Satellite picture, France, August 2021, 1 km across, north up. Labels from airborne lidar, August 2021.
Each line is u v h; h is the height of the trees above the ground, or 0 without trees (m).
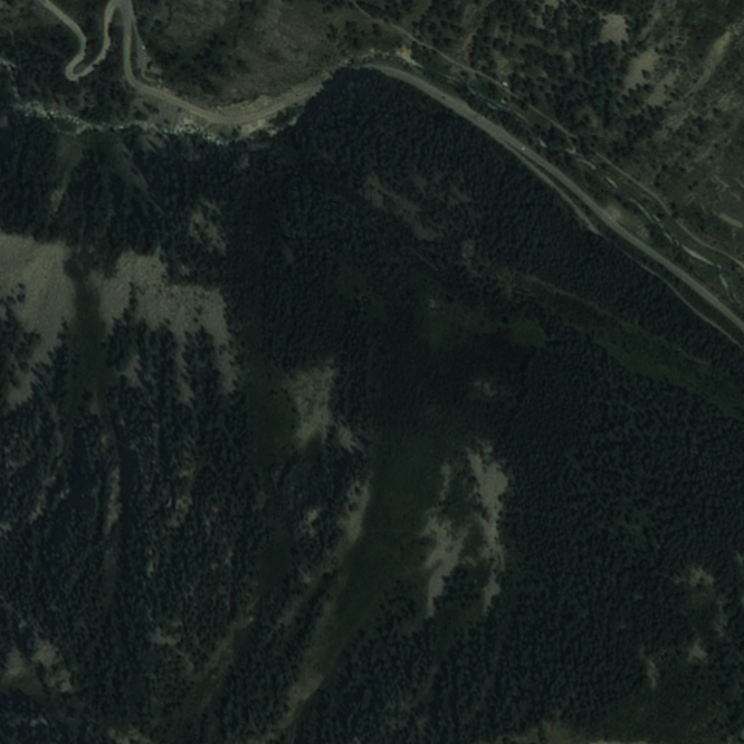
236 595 14
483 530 0
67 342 17
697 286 0
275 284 15
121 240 8
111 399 8
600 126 0
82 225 8
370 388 8
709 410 25
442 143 24
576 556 21
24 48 11
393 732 14
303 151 23
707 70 0
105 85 11
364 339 10
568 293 20
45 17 0
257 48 0
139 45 0
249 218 11
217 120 0
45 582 10
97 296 0
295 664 15
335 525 13
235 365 7
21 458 20
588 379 23
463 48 0
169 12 0
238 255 13
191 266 16
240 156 8
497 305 16
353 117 6
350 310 6
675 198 0
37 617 12
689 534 24
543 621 13
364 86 9
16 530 9
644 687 19
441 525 0
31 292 0
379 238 20
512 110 0
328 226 8
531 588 12
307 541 9
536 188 10
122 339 18
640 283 23
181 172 12
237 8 0
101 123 9
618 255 26
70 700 12
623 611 21
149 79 0
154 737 11
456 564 0
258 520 20
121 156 0
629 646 19
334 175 21
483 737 13
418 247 7
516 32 14
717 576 8
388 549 0
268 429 0
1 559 13
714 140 0
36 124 17
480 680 19
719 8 0
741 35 0
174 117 0
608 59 20
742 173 0
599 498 21
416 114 28
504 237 21
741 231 0
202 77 7
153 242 20
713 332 12
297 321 13
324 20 0
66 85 14
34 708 11
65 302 0
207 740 10
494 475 0
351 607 0
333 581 23
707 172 0
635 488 23
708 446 26
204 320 0
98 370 0
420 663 17
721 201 0
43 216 24
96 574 11
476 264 11
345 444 0
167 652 10
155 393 28
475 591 12
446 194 6
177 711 20
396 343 6
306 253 18
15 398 0
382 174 14
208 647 16
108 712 11
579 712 19
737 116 0
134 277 0
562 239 22
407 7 20
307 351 7
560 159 20
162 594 7
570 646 16
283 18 0
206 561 13
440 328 0
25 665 0
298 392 0
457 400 7
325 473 7
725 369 21
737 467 27
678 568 21
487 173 16
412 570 0
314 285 17
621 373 27
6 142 0
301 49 0
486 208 8
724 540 19
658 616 21
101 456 7
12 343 15
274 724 17
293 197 12
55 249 0
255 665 11
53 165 17
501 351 7
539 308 11
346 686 12
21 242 0
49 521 7
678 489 21
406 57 0
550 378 21
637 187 0
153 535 9
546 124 0
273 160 16
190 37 0
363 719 12
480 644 16
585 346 20
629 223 0
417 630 0
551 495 21
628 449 17
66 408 20
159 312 0
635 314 26
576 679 9
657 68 0
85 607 9
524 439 15
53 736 10
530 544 7
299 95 0
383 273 22
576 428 18
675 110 0
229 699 9
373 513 0
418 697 22
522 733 9
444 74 0
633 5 0
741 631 18
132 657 6
